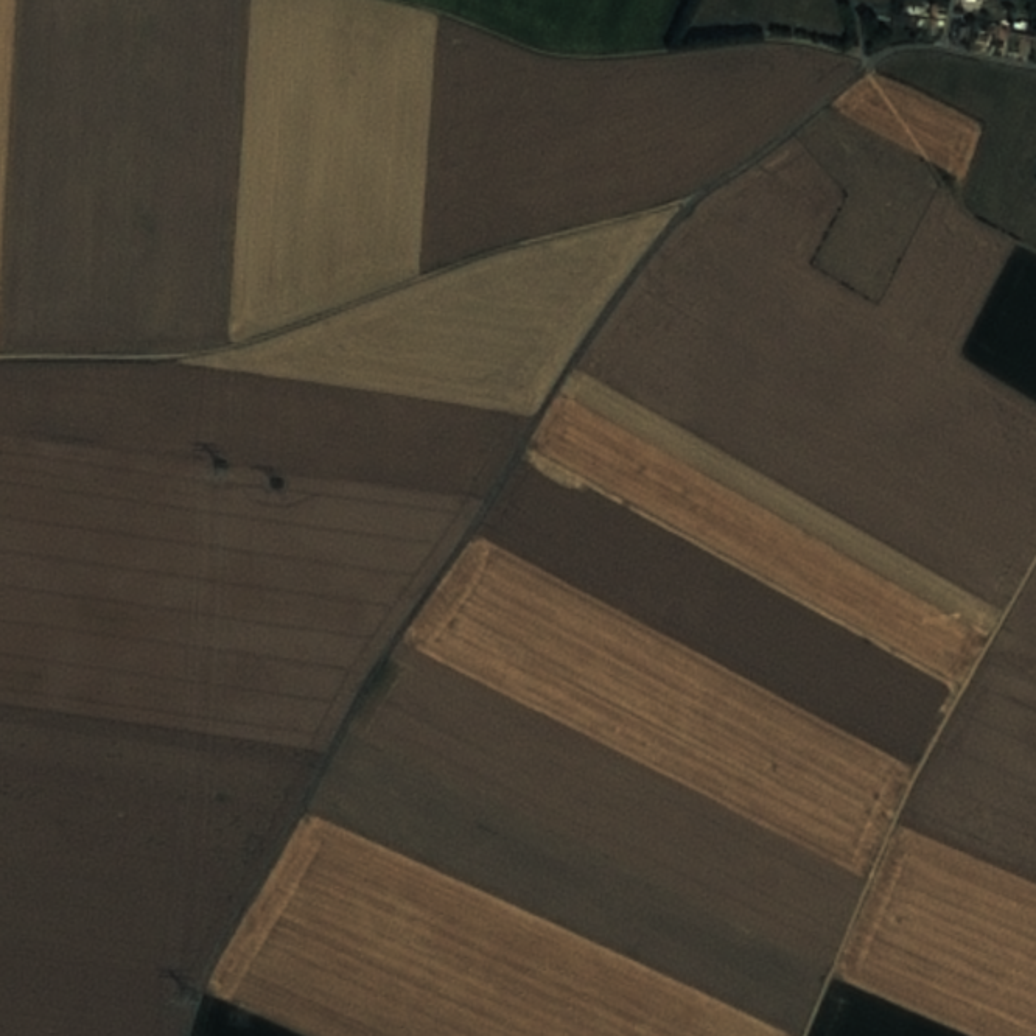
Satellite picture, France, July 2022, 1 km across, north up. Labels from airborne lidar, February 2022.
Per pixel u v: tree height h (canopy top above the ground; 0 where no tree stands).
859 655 0
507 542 0
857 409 0
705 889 0
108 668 0
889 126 0
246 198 0
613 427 0
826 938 0
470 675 0
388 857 0
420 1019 0
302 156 0
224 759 0
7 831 0
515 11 0
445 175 0
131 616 0
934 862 0
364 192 0
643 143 0
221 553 0
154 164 0
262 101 0
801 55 0
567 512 0
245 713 0
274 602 0
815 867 0
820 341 0
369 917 0
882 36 12
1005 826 0
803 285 0
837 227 0
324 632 0
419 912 0
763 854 0
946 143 0
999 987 0
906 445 0
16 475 0
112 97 0
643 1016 0
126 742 0
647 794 0
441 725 0
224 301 0
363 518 0
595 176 0
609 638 0
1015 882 0
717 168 0
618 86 0
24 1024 0
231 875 0
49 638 0
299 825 0
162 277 0
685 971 0
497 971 0
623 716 0
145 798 0
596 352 0
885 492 0
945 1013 0
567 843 0
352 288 0
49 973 0
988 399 0
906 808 0
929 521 0
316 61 0
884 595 0
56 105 0
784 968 0
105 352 0
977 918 0
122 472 0
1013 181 0
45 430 0
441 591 0
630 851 0
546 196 0
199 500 0
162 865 0
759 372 0
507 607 0
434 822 0
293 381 0
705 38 18
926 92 0
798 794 0
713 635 0
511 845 0
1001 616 0
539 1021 0
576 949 0
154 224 0
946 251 0
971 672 0
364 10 0
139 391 0
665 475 0
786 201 0
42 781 0
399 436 0
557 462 0
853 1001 0
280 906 0
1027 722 0
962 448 0
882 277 0
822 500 0
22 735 0
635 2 0
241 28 0
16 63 0
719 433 0
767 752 0
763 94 0
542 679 0
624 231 0
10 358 0
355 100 0
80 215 0
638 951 0
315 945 0
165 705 0
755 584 0
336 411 0
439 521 0
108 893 0
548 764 0
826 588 0
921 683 0
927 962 0
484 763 0
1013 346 0
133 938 0
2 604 0
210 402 0
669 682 0
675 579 0
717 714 0
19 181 0
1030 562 0
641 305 0
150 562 0
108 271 0
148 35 0
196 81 0
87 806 0
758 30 15
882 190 0
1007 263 0
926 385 0
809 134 0
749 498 0
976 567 0
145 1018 0
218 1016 0
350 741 0
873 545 0
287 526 0
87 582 0
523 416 0
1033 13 6
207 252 0
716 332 0
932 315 0
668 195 0
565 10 0
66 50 0
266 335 0
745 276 0
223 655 0
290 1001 0
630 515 0
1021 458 0
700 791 0
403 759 0
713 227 0
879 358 0
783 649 0
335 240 0
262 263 0
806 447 0
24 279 0
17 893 0
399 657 0
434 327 0
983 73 0
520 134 0
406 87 0
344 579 0
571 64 0
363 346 0
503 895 0
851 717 0
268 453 0
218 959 0
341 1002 0
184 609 0
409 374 0
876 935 0
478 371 0
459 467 0
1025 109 0
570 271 0
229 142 0
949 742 0
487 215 0
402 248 0
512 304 0
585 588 0
